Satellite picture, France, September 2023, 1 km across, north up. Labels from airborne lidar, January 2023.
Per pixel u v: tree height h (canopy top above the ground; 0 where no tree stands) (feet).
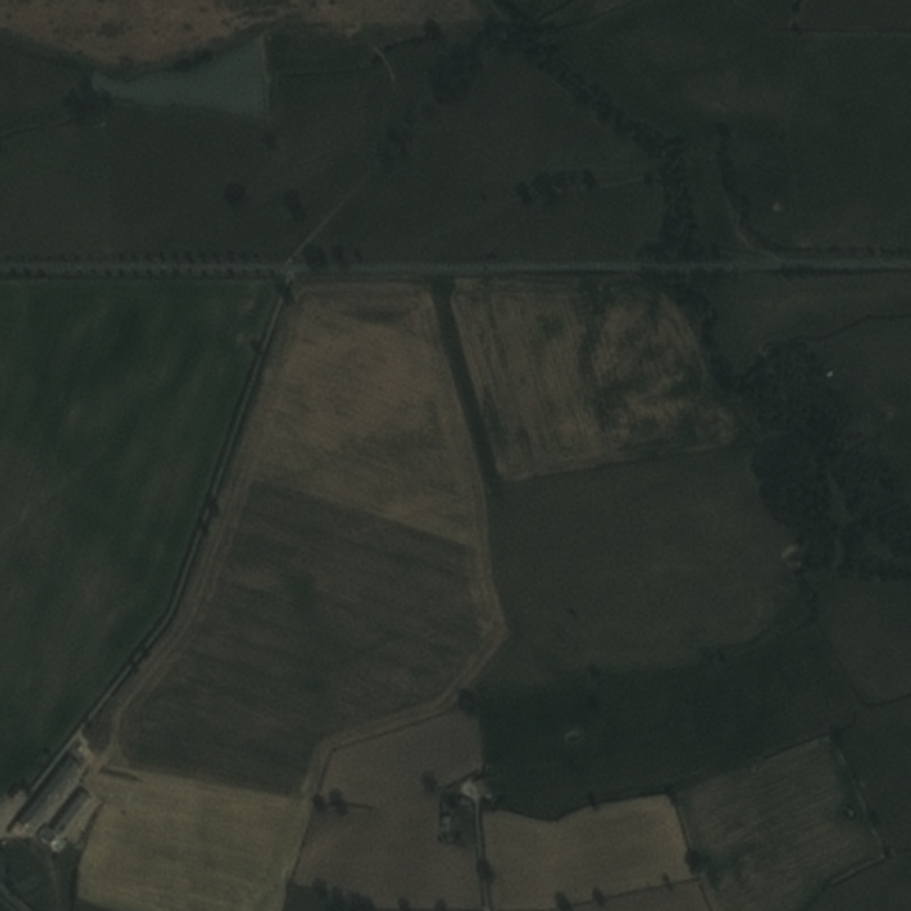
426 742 0
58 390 0
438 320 0
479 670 0
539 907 0
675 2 0
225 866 0
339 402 0
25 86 0
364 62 0
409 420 0
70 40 0
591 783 0
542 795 0
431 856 0
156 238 0
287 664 0
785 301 0
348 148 0
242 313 0
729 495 0
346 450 0
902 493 0
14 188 0
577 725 0
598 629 0
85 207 0
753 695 0
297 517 0
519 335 0
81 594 0
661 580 0
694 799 0
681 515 0
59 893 0
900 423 0
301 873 0
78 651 0
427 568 0
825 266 0
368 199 0
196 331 0
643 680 0
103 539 0
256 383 0
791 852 0
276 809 0
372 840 0
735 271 27
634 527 0
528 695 0
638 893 0
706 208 0
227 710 0
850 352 0
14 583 0
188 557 0
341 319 0
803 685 0
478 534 0
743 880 0
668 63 0
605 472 0
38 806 0
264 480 0
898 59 0
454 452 0
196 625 0
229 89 0
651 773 0
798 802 0
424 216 0
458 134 0
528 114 0
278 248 0
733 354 0
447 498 0
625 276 0
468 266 0
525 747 0
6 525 0
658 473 0
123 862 0
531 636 0
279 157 0
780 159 0
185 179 0
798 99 0
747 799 0
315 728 0
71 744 0
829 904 0
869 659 0
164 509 0
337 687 0
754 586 0
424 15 0
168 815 0
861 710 0
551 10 0
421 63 0
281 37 0
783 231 0
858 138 0
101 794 0
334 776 0
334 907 42
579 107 49
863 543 57
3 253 0
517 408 0
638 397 0
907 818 0
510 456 0
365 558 0
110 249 0
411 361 0
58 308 0
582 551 0
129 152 0
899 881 0
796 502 65
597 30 0
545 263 0
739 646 0
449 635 0
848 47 0
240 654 0
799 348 24
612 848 0
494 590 0
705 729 0
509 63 0
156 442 0
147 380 0
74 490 0
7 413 0
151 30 0
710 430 0
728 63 0
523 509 0
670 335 0
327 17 0
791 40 0
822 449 18
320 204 0
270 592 0
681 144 20
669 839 0
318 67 0
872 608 0
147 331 0
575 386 0
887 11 0
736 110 0
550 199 70
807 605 36
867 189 0
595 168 0
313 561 0
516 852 0
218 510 38
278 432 0
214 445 0
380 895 0
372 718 0
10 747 0
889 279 0
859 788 0
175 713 0
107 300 0
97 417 0
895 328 0
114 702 0
